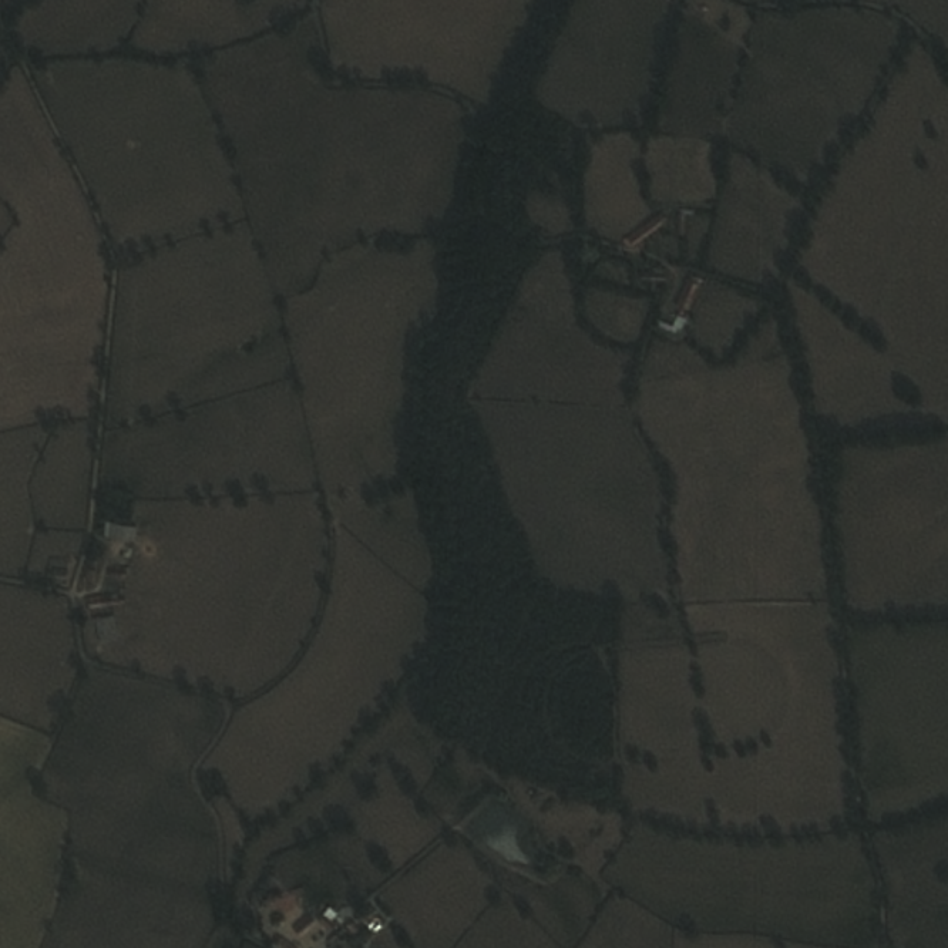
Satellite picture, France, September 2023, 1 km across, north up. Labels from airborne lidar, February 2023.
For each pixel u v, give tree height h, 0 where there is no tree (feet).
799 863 0
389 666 0
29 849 0
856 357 0
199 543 0
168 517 0
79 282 0
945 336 0
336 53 0
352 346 0
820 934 0
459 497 74
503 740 46
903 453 0
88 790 0
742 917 0
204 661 0
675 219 0
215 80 0
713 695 0
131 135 0
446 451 81
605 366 0
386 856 44
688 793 0
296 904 0
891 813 0
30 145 0
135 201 0
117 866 0
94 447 44
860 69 0
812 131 0
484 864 24
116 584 0
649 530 0
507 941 0
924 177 0
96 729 0
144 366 0
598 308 0
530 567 60
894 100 0
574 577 0
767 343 0
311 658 0
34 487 0
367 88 0
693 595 0
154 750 0
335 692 0
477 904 0
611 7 0
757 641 0
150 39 0
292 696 0
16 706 0
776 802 0
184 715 0
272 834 0
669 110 0
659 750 0
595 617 30
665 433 0
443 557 91
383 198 0
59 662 0
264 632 0
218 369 0
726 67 0
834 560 41
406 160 0
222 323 0
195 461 0
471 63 0
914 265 0
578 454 0
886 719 0
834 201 0
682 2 52
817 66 0
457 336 85
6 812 0
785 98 0
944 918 0
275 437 0
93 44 0
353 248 0
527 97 58
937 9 0
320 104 0
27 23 0
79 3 0
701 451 0
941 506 0
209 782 35
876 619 41
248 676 0
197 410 0
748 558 0
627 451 0
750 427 0
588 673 31
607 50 0
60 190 0
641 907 0
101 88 0
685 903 0
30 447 0
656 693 0
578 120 0
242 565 0
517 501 0
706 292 0
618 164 0
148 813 0
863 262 0
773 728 0
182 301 0
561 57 0
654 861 0
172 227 0
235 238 0
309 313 0
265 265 0
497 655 66
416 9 0
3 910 0
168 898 0
